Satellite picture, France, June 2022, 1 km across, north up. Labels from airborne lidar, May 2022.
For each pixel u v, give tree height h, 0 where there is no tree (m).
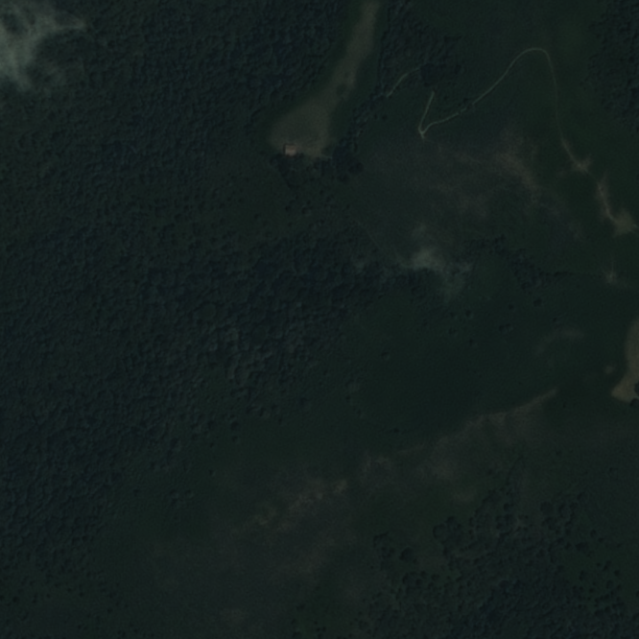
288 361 8
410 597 18
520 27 0
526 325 0
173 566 0
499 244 11
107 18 16
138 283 17
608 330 0
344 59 0
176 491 9
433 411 0
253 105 17
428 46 13
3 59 14
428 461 0
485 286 0
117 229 10
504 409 0
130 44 19
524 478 0
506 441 0
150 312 22
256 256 15
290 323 19
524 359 0
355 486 0
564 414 0
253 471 0
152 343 5
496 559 18
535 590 23
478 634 17
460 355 0
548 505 14
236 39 7
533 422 0
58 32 16
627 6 19
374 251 8
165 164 12
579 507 15
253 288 14
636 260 0
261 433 0
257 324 20
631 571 0
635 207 0
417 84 6
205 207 10
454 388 0
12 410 24
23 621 10
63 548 7
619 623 17
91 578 9
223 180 8
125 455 8
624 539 0
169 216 11
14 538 18
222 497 0
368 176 0
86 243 24
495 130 0
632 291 0
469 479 0
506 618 12
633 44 17
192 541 0
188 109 19
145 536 0
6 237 20
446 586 12
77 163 20
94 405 28
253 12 22
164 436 14
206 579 0
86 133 20
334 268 10
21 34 18
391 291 16
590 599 9
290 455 0
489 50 0
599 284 0
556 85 0
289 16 24
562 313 0
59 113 23
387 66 10
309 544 0
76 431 24
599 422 0
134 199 14
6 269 24
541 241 0
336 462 0
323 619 0
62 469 19
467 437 0
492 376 0
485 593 19
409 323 0
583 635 22
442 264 7
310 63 14
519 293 0
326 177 17
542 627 21
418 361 0
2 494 26
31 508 25
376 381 0
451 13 0
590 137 0
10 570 15
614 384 0
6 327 14
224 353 16
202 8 20
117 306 18
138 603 7
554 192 0
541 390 0
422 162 0
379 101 13
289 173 18
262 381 6
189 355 11
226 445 0
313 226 11
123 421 16
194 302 29
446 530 19
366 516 0
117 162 21
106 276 18
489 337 0
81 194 15
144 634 7
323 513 0
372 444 0
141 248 23
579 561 0
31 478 23
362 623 9
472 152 0
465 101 9
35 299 16
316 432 0
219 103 10
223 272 21
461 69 13
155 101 20
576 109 0
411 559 20
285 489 0
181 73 15
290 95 8
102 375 24
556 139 0
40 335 23
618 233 0
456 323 0
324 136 0
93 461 21
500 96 0
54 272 14
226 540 0
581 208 0
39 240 19
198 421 9
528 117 0
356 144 10
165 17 17
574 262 0
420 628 18
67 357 21
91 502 19
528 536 12
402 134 0
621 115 6
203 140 9
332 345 6
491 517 16
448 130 0
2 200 15
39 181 25
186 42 10
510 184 0
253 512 0
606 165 0
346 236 7
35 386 20
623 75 10
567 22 0
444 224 0
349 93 0
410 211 0
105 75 25
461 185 0
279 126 0
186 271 28
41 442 22
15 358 17
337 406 0
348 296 16
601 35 8
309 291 31
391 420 0
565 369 0
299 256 26
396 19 8
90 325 15
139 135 22
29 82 18
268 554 0
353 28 0
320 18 30
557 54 0
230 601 0
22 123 20
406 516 0
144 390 17
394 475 0
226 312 13
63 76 19
